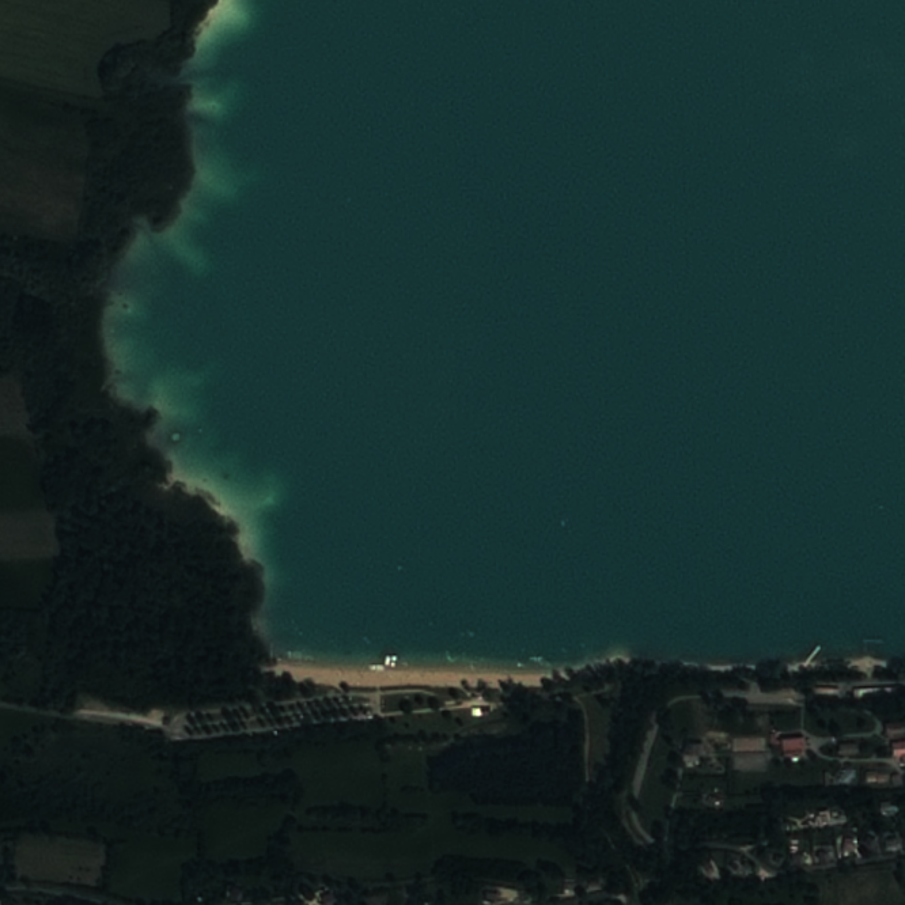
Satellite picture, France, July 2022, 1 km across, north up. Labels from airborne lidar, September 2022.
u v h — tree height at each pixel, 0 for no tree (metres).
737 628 0
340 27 0
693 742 0
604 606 0
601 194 0
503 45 0
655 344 0
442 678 0
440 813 0
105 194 6
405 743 6
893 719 9
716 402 0
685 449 0
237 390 0
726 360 0
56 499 14
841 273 0
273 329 0
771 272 0
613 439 0
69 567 25
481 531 0
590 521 0
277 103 0
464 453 0
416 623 0
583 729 16
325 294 0
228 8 0
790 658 0
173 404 0
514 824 13
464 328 0
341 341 0
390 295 0
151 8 0
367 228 0
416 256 0
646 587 0
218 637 7
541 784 20
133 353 0
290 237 0
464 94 0
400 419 0
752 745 0
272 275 0
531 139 0
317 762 0
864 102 0
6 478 0
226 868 9
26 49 0
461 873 7
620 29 0
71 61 0
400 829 6
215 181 0
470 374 0
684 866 21
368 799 0
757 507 0
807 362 0
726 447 0
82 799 10
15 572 0
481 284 0
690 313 0
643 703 27
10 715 0
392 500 0
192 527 6
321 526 0
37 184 0
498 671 0
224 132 0
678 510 0
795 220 0
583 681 14
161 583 7
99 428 14
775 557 0
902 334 0
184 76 0
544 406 0
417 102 0
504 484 0
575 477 0
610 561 0
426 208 0
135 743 6
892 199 0
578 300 0
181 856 0
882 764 0
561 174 0
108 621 12
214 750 7
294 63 0
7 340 11
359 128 0
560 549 0
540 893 15
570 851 20
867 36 0
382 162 0
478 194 0
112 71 19
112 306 0
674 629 0
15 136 0
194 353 0
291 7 0
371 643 0
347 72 0
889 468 0
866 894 0
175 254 0
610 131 0
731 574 0
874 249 0
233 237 0
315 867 0
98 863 0
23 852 0
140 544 25
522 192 0
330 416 0
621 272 0
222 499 0
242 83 0
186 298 0
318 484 0
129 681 13
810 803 26
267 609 0
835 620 0
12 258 21
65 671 10
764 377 0
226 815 0
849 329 0
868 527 0
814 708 17
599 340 0
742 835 6
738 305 0
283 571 0
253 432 0
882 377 0
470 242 0
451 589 0
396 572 0
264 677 20
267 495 0
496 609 0
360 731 9
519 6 0
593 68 0
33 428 15
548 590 0
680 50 0
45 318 24
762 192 0
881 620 0
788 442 0
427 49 0
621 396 0
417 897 13
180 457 0
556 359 0
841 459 0
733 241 0
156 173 6
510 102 0
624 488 0
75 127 0
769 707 0
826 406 0
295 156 0
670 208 0
